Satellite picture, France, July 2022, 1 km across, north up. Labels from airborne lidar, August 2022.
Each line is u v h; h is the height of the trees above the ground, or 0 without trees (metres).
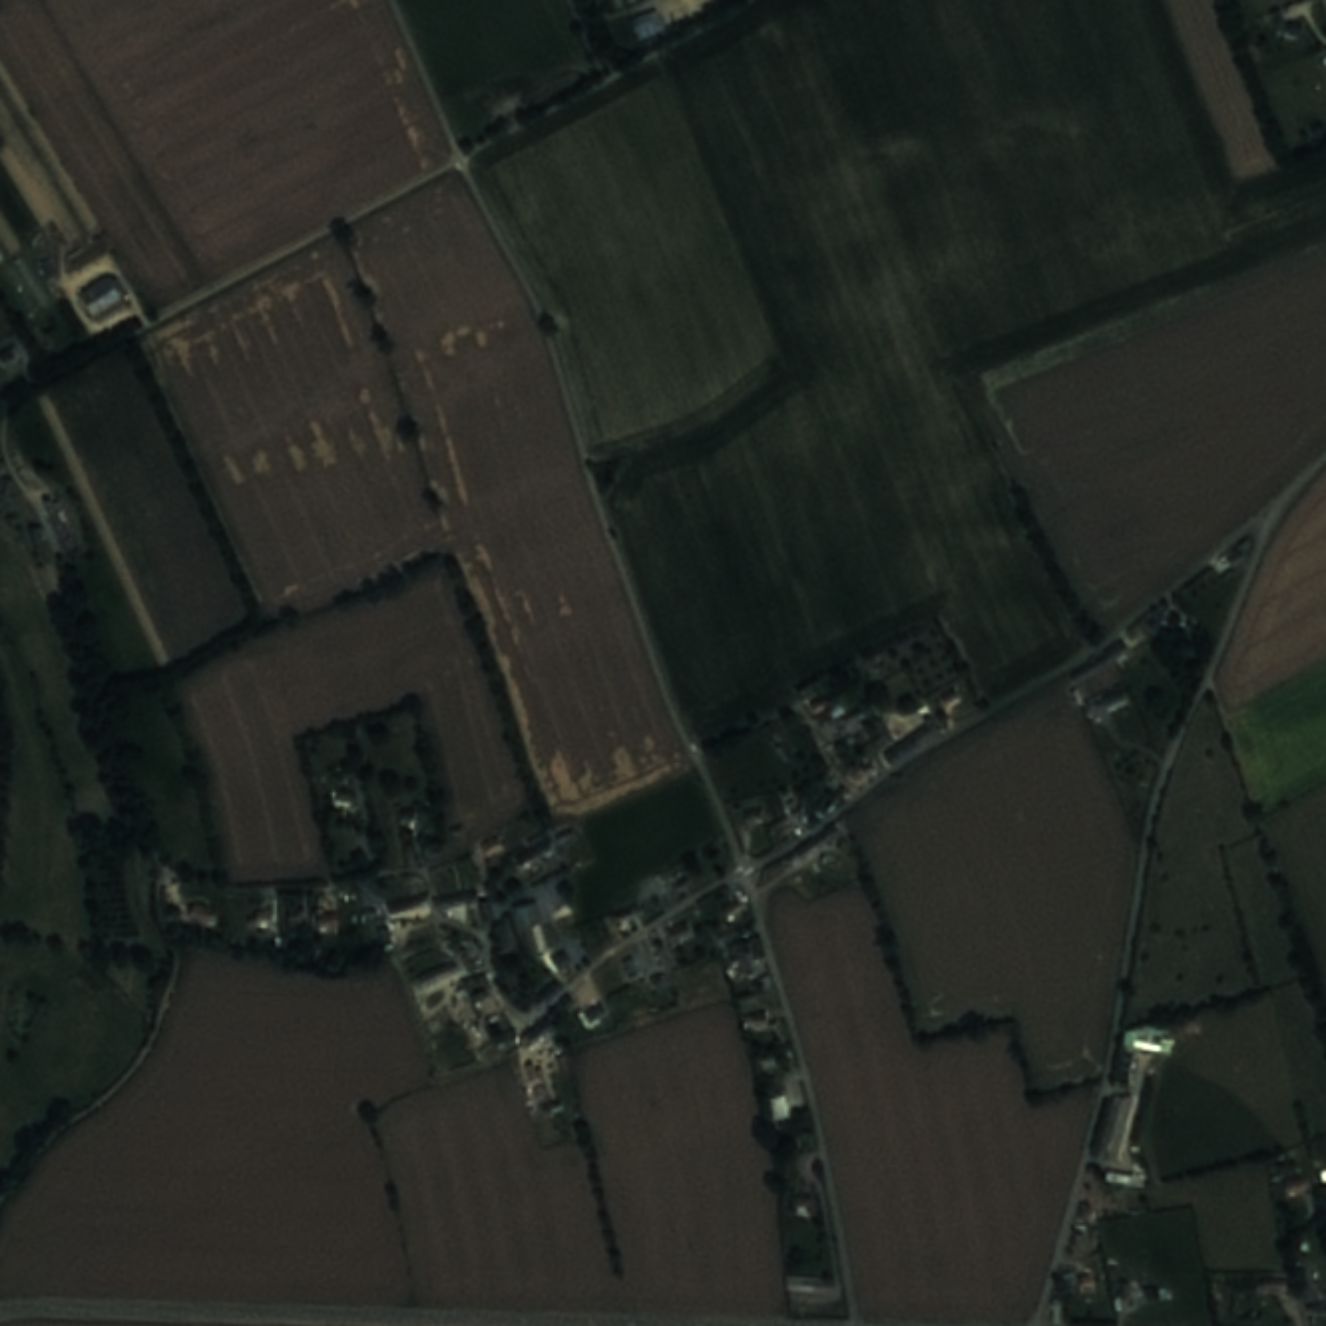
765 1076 6
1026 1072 6
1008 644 0
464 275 0
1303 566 0
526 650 0
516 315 0
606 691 0
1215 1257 0
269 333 0
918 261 0
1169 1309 0
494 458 0
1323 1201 10
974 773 0
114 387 0
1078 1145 0
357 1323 0
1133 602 0
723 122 0
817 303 0
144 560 0
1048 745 0
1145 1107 7
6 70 0
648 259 0
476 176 0
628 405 0
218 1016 0
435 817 5
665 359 0
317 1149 0
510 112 0
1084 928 0
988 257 0
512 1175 0
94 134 0
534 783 13
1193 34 0
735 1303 0
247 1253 0
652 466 0
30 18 0
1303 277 0
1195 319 0
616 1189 0
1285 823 0
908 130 0
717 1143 0
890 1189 0
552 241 0
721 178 0
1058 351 0
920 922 0
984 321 0
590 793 0
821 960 0
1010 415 0
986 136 0
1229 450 0
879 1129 0
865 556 0
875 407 0
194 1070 0
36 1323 0
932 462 0
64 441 0
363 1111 11
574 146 0
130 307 0
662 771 0
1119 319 0
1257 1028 0
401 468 0
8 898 0
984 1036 20
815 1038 0
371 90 0
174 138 0
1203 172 0
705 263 0
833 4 0
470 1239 0
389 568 0
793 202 0
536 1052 0
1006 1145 0
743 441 0
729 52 0
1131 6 0
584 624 0
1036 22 0
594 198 0
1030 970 0
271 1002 0
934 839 0
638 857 0
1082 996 0
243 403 0
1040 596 0
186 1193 0
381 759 0
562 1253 0
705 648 0
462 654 0
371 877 11
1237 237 0
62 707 0
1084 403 0
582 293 0
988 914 0
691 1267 0
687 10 0
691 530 0
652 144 0
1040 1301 0
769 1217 0
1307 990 10
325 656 0
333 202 0
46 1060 0
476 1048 0
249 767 0
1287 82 0
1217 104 0
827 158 0
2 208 0
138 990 0
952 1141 0
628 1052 0
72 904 0
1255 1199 0
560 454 0
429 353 0
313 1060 0
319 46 0
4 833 21
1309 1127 9
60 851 0
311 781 9
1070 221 0
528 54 0
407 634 0
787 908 0
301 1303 0
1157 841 8
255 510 0
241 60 0
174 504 0
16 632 0
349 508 0
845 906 0
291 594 0
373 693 0
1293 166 12
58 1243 0
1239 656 0
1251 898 0
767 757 0
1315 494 0
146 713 0
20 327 11
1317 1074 0
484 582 0
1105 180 0
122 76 0
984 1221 0
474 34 0
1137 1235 0
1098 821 0
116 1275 0
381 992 0
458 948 6
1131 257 0
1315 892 0
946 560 0
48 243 0
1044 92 0
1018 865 0
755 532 0
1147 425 0
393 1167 0
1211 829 0
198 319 0
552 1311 0
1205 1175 6
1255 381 0
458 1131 0
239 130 0
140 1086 0
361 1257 0
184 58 0
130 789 17
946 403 0
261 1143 0
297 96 0
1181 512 0
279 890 6
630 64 14
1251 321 0
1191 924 0
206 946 15
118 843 24
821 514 0
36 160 0
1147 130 0
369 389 0
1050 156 0
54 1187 0
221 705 0
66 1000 0
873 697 16
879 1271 0
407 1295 0
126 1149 0
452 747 0
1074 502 0
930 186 0
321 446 0
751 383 0
